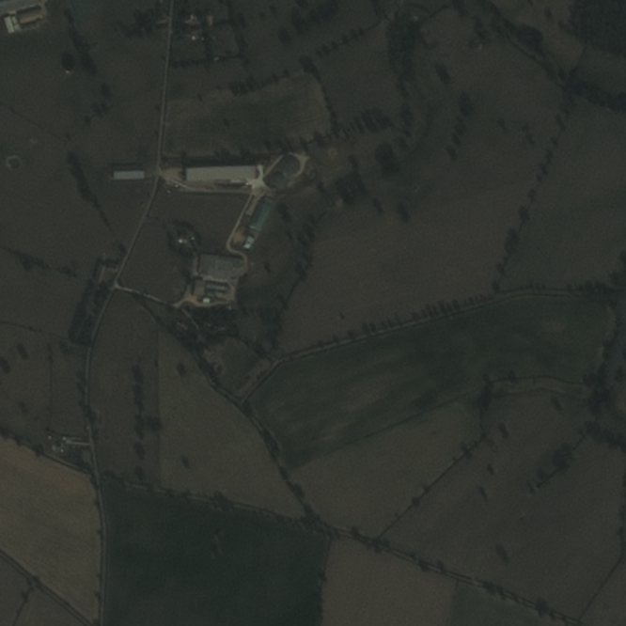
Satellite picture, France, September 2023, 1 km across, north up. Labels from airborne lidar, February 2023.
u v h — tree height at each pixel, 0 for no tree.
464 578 0
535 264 0
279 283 0
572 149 0
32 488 0
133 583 0
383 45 0
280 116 0
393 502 0
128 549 0
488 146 0
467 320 0
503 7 0
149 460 0
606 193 0
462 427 0
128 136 0
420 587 0
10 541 0
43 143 0
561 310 0
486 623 0
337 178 0
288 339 0
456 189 0
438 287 0
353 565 0
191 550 0
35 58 0
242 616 0
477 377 0
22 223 0
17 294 0
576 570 0
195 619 0
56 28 0
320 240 0
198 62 6
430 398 0
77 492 0
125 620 0
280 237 0
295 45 0
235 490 0
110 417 0
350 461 0
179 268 0
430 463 0
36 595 0
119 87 0
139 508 0
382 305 0
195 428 0
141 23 17
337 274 0
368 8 0
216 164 0
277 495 0
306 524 10
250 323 0
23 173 0
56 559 0
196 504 0
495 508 0
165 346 0
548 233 0
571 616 0
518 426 0
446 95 0
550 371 0
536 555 0
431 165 0
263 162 0
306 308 0
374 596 0
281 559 0
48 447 0
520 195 0
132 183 0
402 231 0
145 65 0
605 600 0
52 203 0
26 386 0
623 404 0
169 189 0
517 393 0
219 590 0
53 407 0
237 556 0
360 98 0
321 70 0
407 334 0
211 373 14
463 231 0
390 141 0
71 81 0
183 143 0
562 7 0
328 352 0
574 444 0
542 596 0
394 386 0
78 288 0
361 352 0
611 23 20
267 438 14
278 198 0
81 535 0
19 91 0
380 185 0
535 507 0
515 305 0
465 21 0
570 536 0
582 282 0
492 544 0
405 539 0
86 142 0
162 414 0
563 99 0
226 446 0
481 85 0
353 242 0
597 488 0
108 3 0
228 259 0
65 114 0
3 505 0
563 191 0
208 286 0
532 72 0
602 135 0
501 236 0
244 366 0
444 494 0
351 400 0
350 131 13
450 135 0
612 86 0
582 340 0
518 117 0
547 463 0
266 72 0
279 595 0
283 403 0
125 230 0
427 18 0
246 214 0
